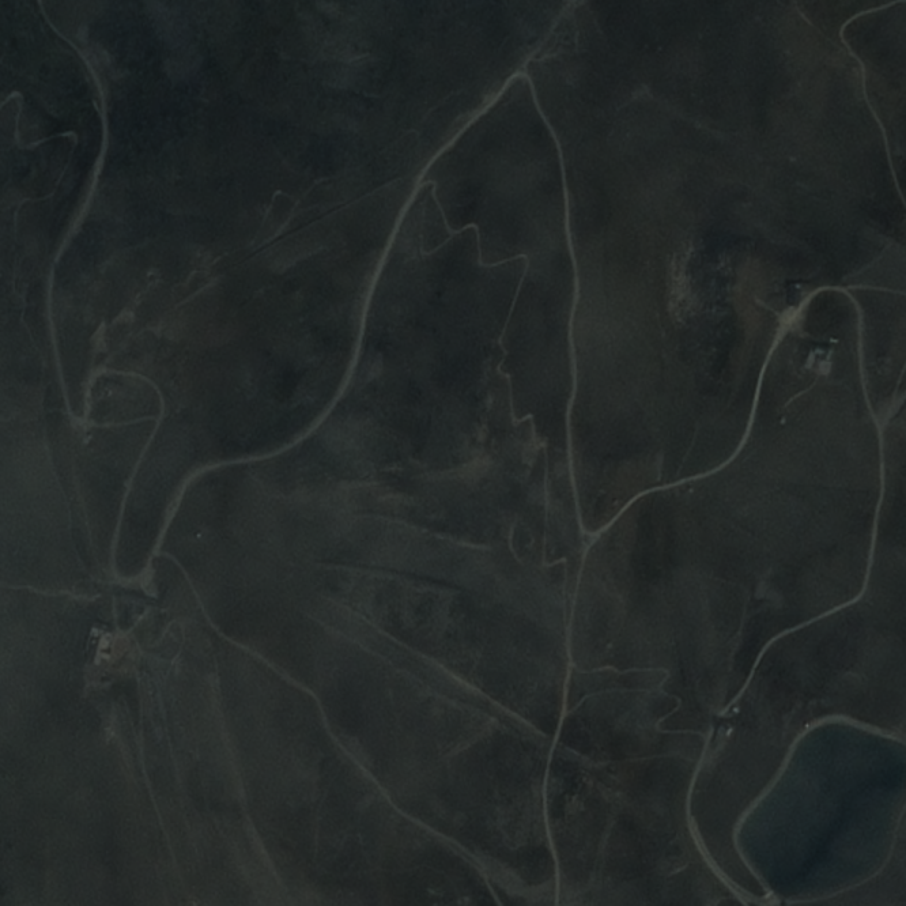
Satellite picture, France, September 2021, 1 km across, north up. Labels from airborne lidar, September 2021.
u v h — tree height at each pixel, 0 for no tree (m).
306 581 0
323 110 9
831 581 0
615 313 0
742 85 0
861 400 0
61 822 0
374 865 0
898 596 0
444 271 0
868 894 0
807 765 0
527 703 0
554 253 0
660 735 0
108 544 0
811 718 0
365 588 0
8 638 0
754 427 0
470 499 0
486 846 0
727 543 0
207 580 0
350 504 0
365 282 0
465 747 0
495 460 0
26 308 0
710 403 0
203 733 0
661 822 0
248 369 0
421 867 0
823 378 0
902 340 0
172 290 0
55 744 0
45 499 0
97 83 0
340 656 0
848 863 0
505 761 0
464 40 0
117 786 0
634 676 0
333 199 0
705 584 0
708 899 0
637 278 0
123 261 0
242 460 0
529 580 0
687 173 0
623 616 0
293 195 0
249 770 0
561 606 0
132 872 0
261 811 0
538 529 0
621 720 0
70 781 0
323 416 0
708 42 0
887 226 0
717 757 0
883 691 0
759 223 0
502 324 0
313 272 0
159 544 0
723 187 0
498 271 0
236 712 0
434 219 0
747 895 0
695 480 0
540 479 0
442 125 0
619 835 0
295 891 0
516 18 0
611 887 0
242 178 0
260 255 0
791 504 0
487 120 0
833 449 0
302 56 0
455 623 0
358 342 0
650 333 0
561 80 0
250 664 0
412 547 0
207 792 0
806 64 0
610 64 0
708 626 0
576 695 0
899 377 0
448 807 0
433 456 0
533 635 0
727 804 0
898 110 0
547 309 0
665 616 0
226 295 0
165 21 0
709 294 0
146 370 0
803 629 0
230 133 0
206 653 0
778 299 0
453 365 0
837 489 0
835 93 0
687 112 0
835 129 0
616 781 0
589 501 0
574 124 0
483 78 0
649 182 0
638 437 0
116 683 0
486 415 0
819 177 0
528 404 0
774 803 0
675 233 0
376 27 0
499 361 0
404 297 0
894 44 0
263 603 0
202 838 0
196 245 0
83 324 0
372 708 0
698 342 0
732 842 0
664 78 0
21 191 0
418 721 0
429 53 0
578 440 0
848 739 0
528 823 0
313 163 0
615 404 0
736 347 0
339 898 0
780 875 0
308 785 0
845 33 0
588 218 0
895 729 0
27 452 0
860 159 0
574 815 0
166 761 0
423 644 0
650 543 0
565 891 0
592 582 0
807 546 0
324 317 0
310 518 0
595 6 0
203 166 0
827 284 0
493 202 0
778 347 0
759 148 0
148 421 0
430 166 0
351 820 0
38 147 0
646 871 0
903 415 0
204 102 0
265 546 0
